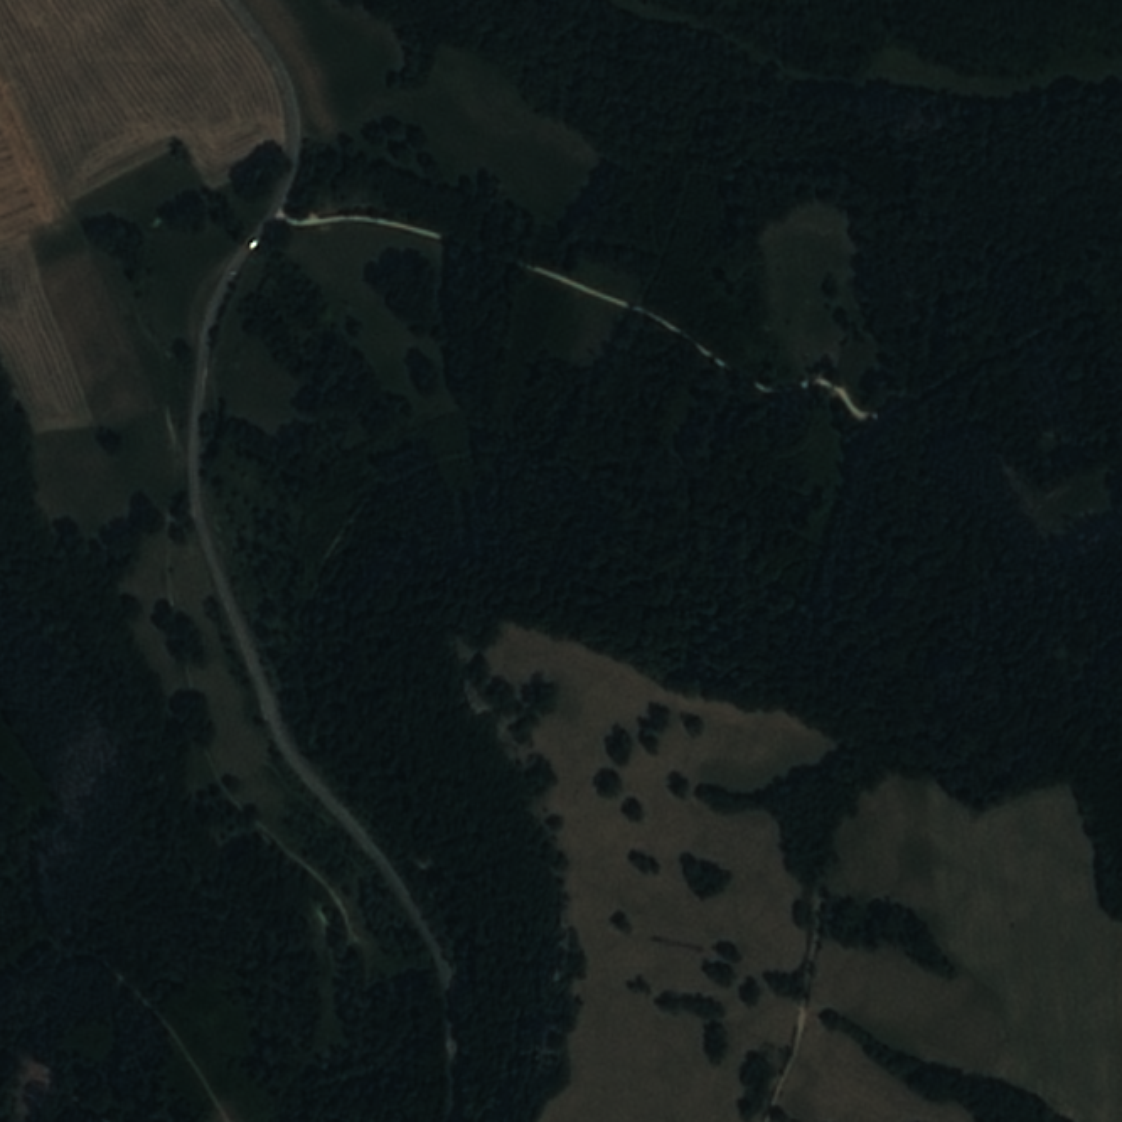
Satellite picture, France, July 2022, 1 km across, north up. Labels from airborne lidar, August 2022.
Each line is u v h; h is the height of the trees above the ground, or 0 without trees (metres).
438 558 30
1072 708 22
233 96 0
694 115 10
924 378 18
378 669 22
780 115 24
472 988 23
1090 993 0
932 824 0
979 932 0
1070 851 0
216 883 22
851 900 10
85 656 21
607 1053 0
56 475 0
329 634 23
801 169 22
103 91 0
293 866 13
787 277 0
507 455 29
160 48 0
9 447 21
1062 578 25
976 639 34
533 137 0
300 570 22
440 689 21
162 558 0
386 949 13
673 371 22
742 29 19
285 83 0
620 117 28
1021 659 27
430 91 0
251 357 0
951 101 24
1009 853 0
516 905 16
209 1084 0
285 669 15
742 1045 0
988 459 27
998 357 31
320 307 12
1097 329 25
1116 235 27
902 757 21
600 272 0
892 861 0
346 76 0
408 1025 12
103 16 0
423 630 24
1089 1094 0
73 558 21
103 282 0
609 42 26
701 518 28
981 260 22
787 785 16
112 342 0
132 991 19
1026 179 19
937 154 21
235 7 0
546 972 10
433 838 25
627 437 25
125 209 0
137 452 0
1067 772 13
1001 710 28
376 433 24
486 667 10
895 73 0
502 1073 22
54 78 0
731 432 32
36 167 0
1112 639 7
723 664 36
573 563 25
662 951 0
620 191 26
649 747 17
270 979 14
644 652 27
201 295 0
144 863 25
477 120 0
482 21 25
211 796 7
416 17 19
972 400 27
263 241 7
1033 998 0
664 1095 0
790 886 0
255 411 0
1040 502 0
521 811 17
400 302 24
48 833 21
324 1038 0
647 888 0
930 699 30
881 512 28
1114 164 26
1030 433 23
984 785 7
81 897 28
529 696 15
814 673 33
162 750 23
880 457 27
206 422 10
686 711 0
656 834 0
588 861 0
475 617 17
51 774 27
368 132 12
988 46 23
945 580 30
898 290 28
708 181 7
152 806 16
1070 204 24
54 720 24
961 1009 0
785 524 11
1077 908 0
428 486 11
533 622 14
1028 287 20
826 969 0
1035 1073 0
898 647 42
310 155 12
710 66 24
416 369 23
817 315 0
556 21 26
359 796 18
